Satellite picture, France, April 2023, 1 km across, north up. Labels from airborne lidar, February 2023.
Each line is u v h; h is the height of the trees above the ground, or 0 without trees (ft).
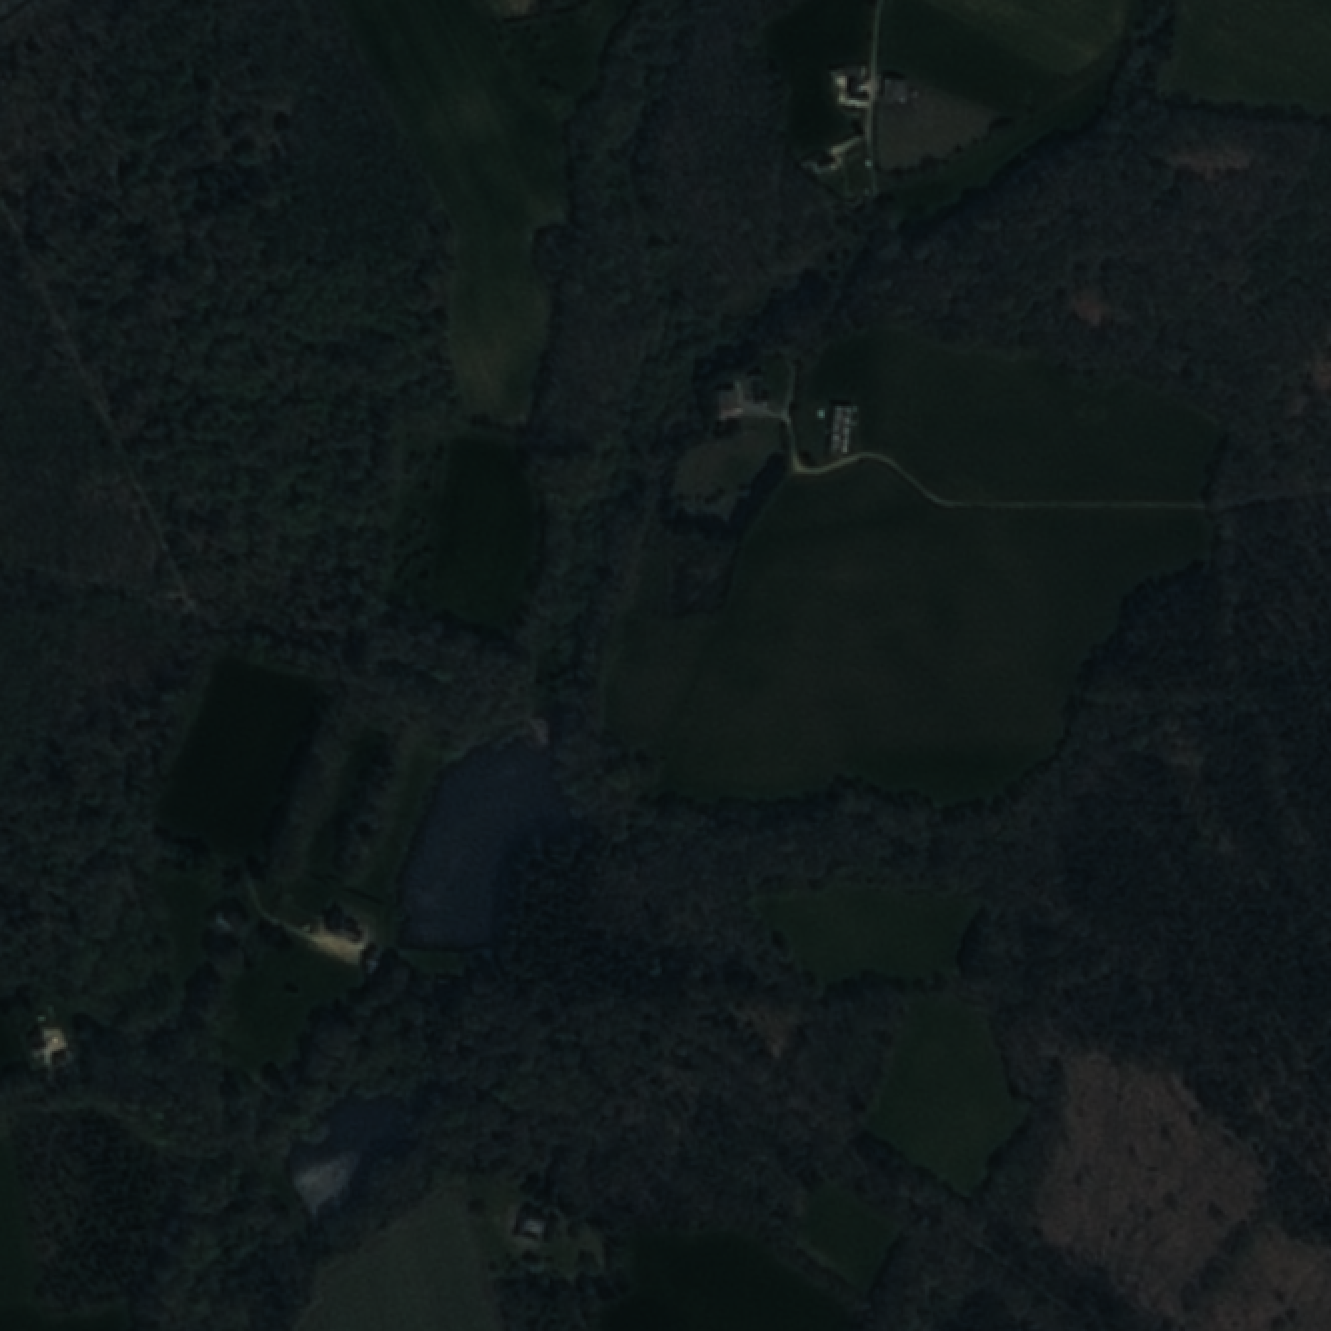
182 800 0
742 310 0
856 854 61
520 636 55
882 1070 52
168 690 87
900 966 0
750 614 0
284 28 62
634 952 61
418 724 62
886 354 0
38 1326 0
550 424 74
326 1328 0
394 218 62
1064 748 30
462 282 0
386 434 84
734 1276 0
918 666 0
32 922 82
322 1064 65
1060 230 61
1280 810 64
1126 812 26
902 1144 0
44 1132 19
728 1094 66
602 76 41
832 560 0
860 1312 42
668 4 31
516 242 0
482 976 90
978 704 0
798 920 0
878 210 44
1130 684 52
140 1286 35
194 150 80
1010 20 0
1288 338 53
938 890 48
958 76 0
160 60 53
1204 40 0
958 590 0
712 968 54
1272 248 31
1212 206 49
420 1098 28
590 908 60
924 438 0
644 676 0
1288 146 52
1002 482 0
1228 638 67
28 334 35
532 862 61
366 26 0
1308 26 0
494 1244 0
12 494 44
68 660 39
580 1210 42
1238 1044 73
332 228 61
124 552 36
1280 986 64
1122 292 48
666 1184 58
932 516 0
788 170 56
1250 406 45
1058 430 0
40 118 45
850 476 0
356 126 66
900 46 0
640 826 39
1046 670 0
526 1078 93
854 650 0
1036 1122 47
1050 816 56
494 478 0
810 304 83
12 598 43
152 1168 22
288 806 77
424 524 19
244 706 0
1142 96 43
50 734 56
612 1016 68
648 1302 0
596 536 40
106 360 63
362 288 60
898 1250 31
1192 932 84
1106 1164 0
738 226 63
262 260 61
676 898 69
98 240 51
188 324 63
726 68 61
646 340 41
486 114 0
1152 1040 83
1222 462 49
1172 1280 0
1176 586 35
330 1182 0
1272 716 77
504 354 0
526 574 0
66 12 26
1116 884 73
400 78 0
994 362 0
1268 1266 0
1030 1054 32
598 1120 66
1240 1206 0
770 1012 62
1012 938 54
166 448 28
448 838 0
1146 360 51
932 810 44
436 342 80
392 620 71
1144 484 0
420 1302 0
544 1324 22
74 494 37
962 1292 37
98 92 50
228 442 56
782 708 0
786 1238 38
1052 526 0
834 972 0
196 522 50
